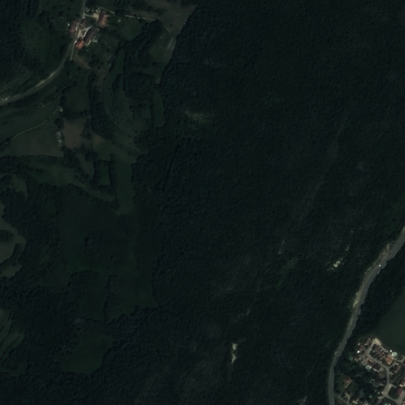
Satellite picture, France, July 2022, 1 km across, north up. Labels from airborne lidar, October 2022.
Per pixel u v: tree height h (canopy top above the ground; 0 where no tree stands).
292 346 14
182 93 6
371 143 9
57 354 19
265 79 12
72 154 17
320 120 14
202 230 14
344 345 0
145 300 0
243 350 14
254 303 15
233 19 10
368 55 14
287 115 16
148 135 12
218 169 20
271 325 20
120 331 22
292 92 9
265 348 12
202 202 12
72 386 26
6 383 27
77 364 0
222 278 12
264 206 14
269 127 10
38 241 16
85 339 0
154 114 16
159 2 0
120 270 0
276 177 11
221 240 11
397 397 0
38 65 16
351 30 6
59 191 9
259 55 17
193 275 12
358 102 11
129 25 0
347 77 12
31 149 0
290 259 12
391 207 19
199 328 9
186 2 15
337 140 10
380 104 10
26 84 7
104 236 7
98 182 23
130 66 8
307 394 9
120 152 0
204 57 14
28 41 0
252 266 9
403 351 0
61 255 12
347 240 11
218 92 9
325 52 12
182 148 19
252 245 7
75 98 0
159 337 13
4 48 20
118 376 12
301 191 11
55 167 0
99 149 0
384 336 0
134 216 0
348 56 12
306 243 15
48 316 16
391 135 15
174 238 16
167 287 15
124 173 0
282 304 10
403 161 19
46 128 0
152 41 11
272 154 11
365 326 21
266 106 14
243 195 17
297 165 8
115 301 11
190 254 14
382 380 6
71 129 0
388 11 14
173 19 0
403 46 11
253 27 18
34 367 24
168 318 20
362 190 13
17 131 0
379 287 17
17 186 0
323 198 16
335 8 15
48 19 11
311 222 16
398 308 0
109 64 0
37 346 16
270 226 7
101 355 0
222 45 14
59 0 0
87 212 0
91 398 19
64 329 23
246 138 16
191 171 16
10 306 24
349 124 13
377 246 17
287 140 8
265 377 10
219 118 12
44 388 26
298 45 10
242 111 20
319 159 12
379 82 14
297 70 13
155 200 6
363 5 7
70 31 0
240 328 13
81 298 12
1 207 0
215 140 9
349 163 14
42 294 22
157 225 6
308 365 10
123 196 0
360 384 15
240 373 13
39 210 20
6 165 14
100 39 6
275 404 6
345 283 15
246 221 12
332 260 11
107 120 7
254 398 12
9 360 11
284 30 18
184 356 15
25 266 16
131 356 11
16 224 18
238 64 16
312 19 9
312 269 15
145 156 13
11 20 18
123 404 13
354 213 9
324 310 12
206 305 12
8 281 23
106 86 0
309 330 13
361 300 0
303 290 11
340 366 15
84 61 0
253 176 21
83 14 0
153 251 0
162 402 14
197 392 7
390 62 21
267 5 19
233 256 9
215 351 8
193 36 10
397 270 11
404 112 12
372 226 9
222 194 15
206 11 14
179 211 15
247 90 12
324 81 16
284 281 10
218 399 13
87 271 10
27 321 13
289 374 14
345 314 11
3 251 0
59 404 19
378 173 9
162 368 6
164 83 12
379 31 11
